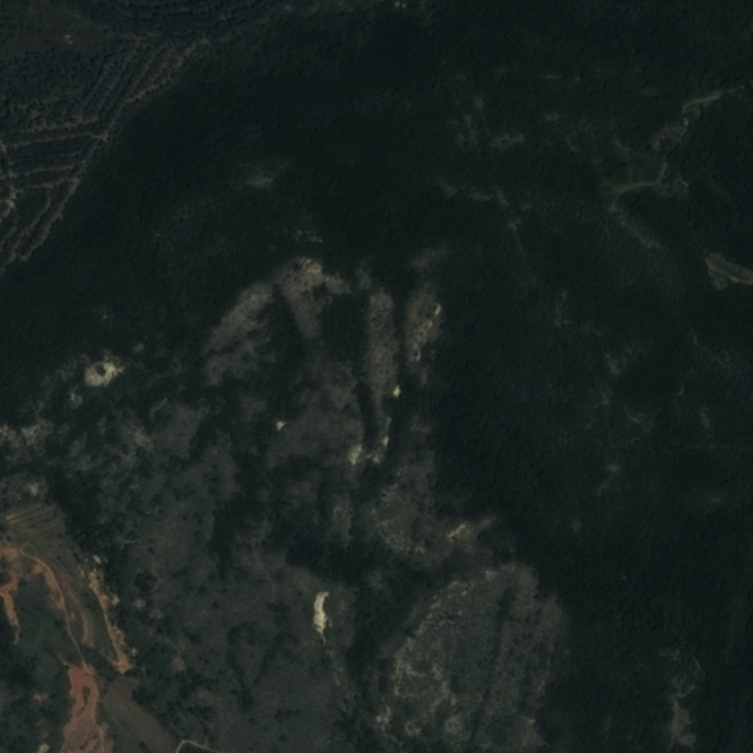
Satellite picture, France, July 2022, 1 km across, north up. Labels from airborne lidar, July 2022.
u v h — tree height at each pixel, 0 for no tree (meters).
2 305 8
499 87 10
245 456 7
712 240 13
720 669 15
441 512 9
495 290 10
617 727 9
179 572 7
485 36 11
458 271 10
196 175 9
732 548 19
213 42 11
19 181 10
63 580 0
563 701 5
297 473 7
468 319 6
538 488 11
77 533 7
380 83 13
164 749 0
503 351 8
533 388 8
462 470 7
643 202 10
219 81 11
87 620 0
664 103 8
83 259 8
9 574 0
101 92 18
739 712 11
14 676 5
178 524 0
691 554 11
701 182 12
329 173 14
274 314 6
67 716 0
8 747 7
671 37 10
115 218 12
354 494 7
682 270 10
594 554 10
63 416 6
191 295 8
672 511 10
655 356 11
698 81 12
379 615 6
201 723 6
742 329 12
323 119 12
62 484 8
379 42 14
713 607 14
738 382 7
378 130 12
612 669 7
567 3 14
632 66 9
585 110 9
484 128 9
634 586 8
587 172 14
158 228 10
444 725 0
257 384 6
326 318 10
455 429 10
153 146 14
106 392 7
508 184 9
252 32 6
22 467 6
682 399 8
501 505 10
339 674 0
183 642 0
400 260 11
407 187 9
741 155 14
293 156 8
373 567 7
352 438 0
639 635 12
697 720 7
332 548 9
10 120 14
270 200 7
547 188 9
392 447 7
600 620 8
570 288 9
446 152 9
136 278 6
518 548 7
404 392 9
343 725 6
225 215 10
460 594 0
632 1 9
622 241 9
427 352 8
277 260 8
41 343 11
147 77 14
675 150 12
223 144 9
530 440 9
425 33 9
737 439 10
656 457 7
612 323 7
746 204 16
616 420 8
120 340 9
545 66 10
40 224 15
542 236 6
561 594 8
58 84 9
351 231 11
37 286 8
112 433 7
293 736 0
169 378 7
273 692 0
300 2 12
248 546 5
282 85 13
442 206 12
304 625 0
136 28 16
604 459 10
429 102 11
